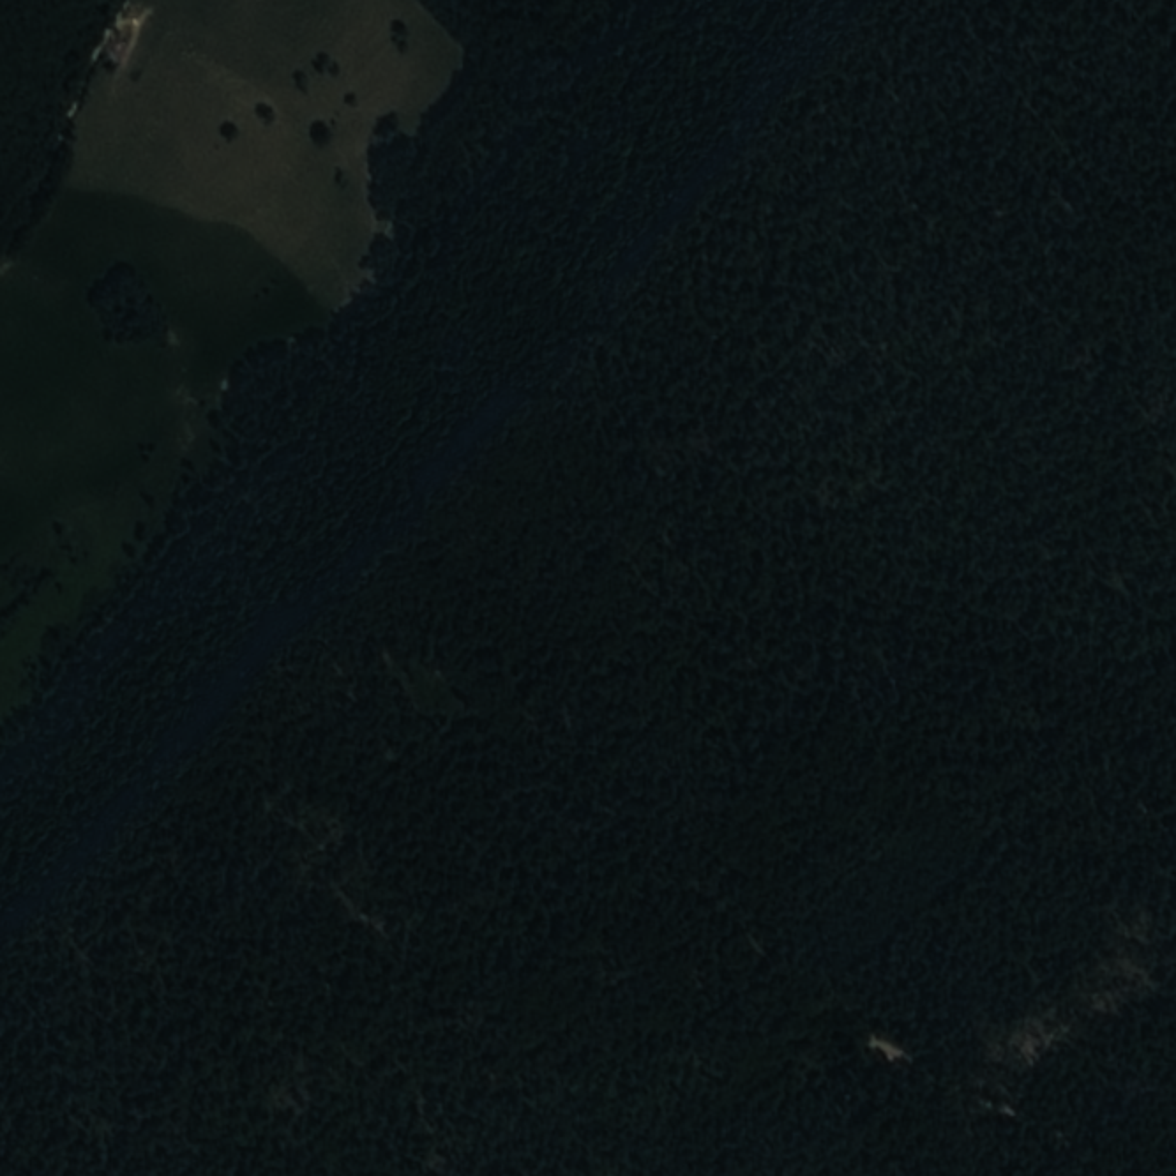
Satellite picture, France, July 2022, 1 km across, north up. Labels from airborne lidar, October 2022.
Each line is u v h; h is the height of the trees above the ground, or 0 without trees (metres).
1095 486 16
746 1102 22
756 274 12
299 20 0
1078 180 17
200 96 0
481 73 20
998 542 22
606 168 21
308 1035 19
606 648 20
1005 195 18
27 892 28
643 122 25
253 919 22
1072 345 20
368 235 0
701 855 22
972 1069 22
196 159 0
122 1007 10
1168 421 16
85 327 0
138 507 0
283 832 20
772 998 17
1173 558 6
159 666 24
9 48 15
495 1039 20
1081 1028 28
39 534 0
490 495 19
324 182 0
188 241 0
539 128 25
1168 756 21
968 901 18
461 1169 16
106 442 0
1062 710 23
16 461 0
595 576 24
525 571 24
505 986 22
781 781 17
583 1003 18
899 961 28
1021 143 25
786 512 10
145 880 22
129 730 22
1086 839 21
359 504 28
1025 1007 24
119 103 0
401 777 6
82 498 0
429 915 23
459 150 13
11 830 28
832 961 16
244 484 29
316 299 0
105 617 8
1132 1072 28
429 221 10
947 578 28
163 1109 20
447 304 29
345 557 23
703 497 26
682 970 20
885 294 25
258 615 22
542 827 24
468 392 29
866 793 19
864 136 21
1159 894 25
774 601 9
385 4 0
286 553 25
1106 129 12
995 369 23
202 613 25
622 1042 18
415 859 16
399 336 30
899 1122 21
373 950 11
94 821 23
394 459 26
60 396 0
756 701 20
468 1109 16
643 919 23
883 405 20
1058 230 26
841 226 12
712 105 30
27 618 0
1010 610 19
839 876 13
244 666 19
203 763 12
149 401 0
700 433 28
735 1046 17
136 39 0
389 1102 6
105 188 0
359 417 31
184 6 0
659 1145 20
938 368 19
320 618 13
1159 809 21
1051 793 22
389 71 0
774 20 24
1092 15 14
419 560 11
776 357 23
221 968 13
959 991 29
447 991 13
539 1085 23
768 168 10
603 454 25
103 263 0
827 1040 9
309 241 0
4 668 0
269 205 0
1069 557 20
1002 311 18
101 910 13
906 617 12
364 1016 29
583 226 25
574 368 15
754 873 23
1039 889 13
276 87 0
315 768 20
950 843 9
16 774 19
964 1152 24
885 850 8
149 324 16
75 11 17
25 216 19
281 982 8
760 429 13
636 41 25
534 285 28
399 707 24
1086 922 21
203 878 23
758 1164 27
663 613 31
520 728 17
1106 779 23
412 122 0
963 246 22
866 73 14
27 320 0
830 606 9
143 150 0
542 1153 24
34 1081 18
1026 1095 22
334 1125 17
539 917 23
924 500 14
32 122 21
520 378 27
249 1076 19
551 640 20
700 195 11
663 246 9
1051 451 21
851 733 25
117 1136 24
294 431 23
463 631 22
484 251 26
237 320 0
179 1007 18
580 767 15
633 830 25
